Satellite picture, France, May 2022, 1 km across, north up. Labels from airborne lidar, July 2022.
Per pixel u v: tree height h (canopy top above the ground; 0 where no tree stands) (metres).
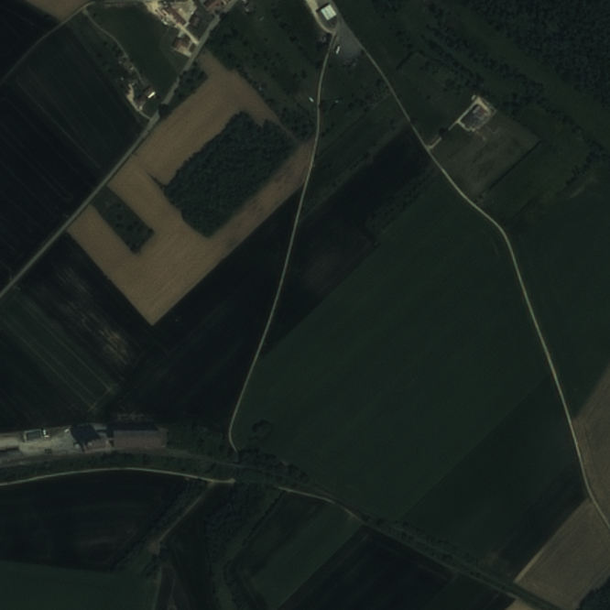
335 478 0
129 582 0
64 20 0
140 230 12
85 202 0
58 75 0
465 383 0
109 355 0
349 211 0
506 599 0
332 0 0
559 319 0
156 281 0
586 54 13
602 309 0
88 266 0
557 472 0
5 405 0
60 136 0
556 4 24
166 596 0
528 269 0
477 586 0
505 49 0
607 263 0
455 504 0
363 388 0
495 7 25
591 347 0
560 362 0
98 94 0
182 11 0
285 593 0
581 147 0
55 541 0
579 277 0
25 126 0
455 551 12
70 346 0
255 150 24
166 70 0
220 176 28
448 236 0
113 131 0
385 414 0
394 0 21
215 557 15
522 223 0
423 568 0
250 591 0
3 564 0
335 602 0
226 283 0
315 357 0
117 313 0
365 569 0
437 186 0
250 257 0
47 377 0
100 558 0
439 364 0
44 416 0
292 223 0
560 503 0
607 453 0
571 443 0
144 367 0
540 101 16
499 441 0
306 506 0
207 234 18
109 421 0
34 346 0
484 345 0
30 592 0
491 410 0
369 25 0
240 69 12
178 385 0
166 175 0
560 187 0
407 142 0
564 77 23
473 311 0
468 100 0
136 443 0
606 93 12
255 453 11
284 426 0
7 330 0
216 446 0
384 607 0
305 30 0
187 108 0
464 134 0
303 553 0
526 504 0
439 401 0
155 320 0
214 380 0
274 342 0
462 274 0
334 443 0
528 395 0
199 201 22
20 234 0
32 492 0
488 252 0
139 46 0
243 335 0
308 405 0
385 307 0
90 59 0
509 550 0
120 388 0
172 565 0
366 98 8
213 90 0
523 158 5
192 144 0
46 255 0
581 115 0
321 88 0
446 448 0
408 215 0
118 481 0
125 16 0
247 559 0
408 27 0
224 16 17
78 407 0
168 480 0
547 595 0
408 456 0
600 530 0
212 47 9
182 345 0
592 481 0
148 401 0
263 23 0
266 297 0
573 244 0
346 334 0
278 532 0
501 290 0
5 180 0
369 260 0
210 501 0
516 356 0
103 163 0
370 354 0
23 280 0
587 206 0
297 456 0
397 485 0
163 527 7
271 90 0
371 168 0
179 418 0
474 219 0
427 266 0
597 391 0
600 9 20
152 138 0
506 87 0
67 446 0
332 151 0
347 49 0
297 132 14
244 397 0
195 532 0
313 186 0
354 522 0
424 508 0
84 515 0
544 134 0
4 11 0
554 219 0
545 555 0
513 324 0
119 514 0
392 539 0
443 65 10
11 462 0
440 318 0
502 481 0
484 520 0
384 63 0
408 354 0
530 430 0
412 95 0
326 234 0
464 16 0
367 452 0
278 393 0
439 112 0
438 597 0
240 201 19
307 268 0
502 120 0
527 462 0
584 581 0
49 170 0
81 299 0
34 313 0
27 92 0
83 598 0
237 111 0
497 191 0
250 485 22
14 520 0
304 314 0
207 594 0
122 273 0
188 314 0
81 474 0
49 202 0
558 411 0
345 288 0
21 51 0
